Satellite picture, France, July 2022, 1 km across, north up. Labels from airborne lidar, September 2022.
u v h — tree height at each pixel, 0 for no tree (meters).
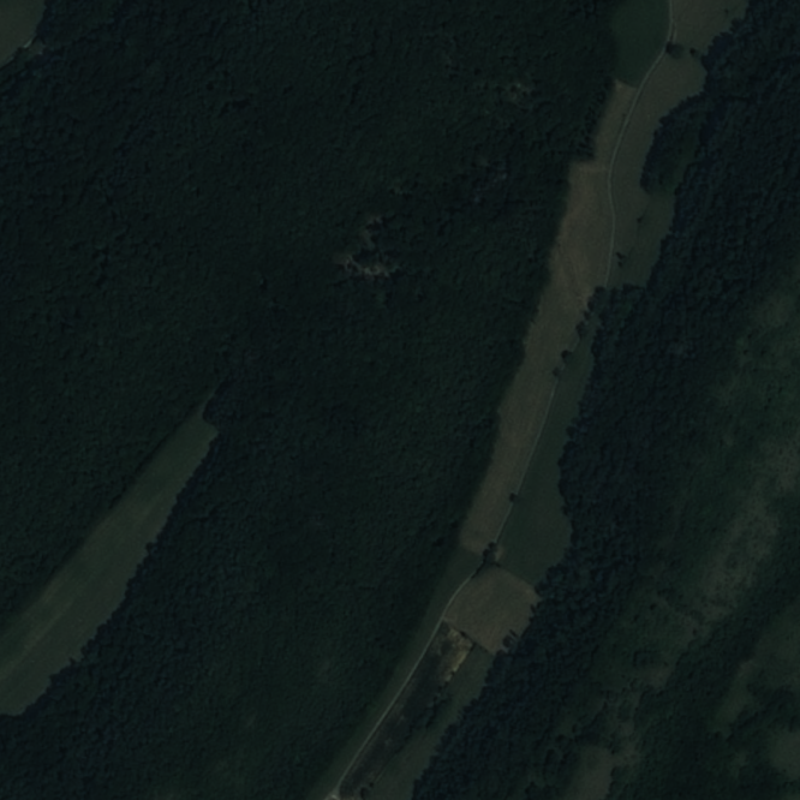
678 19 0
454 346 14
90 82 30
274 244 19
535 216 23
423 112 18
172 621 22
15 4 0
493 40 19
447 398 16
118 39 32
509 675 21
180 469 0
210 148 19
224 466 27
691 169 10
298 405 20
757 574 7
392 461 14
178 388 20
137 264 17
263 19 15
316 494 18
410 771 0
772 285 12
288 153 20
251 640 14
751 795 18
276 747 10
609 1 19
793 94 21
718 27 0
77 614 0
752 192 17
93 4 22
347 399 23
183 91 23
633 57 0
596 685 17
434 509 18
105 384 13
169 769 11
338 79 20
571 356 14
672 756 18
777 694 7
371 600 16
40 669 0
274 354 26
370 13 21
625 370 24
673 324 25
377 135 16
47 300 22
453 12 21
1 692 0
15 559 9
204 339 17
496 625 0
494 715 22
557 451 0
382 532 13
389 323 16
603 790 0
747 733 16
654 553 13
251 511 15
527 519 0
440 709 15
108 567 0
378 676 18
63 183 22
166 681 22
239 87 24
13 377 19
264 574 21
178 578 19
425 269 21
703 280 23
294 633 10
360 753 0
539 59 19
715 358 15
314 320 28
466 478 19
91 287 21
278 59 19
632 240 0
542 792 18
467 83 17
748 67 30
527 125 22
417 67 18
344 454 20
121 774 20
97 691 20
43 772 24
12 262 22
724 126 38
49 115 39
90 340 14
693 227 35
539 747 20
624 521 20
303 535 19
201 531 22
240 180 14
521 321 23
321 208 14
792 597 19
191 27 22
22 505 13
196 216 16
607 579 8
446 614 0
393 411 17
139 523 0
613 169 0
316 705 7
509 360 23
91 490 14
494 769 21
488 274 17
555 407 0
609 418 23
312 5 18
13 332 16
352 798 0
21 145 23
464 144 18
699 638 12
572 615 10
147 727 19
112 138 31
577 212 0
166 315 13
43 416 17
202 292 15
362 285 30
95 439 11
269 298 30
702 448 9
